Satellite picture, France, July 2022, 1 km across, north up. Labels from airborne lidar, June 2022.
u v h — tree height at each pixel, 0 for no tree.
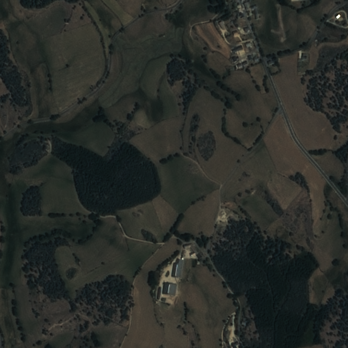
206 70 0
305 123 0
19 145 14
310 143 0
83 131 0
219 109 0
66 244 7
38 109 0
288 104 0
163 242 10
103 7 0
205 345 0
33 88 0
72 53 0
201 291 0
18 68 7
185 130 0
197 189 0
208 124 0
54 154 9
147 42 0
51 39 0
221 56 0
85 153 12
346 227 0
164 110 0
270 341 6
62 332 0
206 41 0
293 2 0
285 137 0
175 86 0
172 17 8
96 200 9
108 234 0
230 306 0
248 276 8
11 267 0
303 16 0
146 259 0
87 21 0
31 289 0
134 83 0
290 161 0
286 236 0
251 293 13
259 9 0
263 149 0
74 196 0
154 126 0
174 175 0
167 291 0
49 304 0
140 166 12
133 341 0
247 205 0
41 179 0
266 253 12
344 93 17
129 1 0
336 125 15
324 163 0
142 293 0
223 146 0
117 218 10
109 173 13
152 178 13
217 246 17
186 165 0
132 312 0
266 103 0
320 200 0
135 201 14
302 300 9
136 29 0
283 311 9
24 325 0
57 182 0
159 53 0
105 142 0
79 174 19
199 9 0
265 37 0
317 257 0
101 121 20
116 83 0
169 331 0
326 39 10
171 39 0
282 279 19
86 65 0
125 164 9
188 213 0
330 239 0
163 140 0
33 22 0
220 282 0
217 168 0
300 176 17
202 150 0
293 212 0
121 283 16
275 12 0
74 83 0
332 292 0
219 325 0
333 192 0
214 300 0
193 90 14
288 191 0
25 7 17
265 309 14
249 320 8
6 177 0
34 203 18
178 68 16
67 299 16
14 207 0
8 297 0
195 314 0
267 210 0
